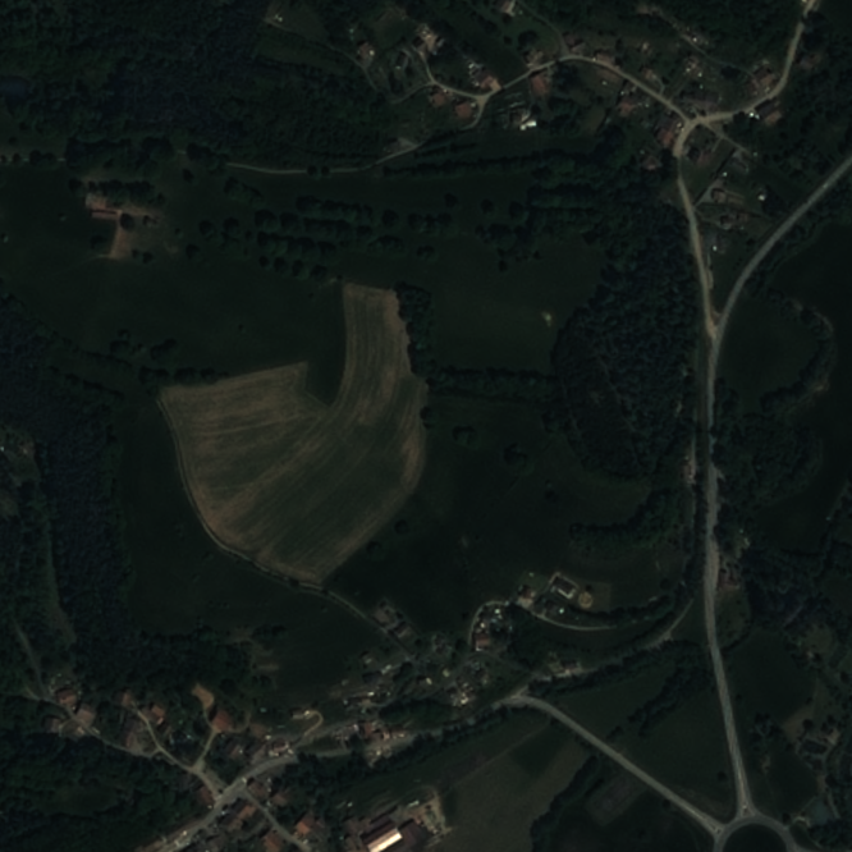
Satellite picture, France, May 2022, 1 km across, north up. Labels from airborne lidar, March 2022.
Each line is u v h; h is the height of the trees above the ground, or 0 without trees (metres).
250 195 19
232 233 16
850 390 0
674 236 39
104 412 20
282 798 0
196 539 0
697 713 0
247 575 0
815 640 0
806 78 0
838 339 0
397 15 0
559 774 0
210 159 22
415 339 17
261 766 0
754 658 0
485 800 0
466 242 0
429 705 15
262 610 0
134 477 0
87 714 0
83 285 0
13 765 27
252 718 0
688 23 21
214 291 0
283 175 0
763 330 0
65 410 25
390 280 0
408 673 12
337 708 0
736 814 0
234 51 20
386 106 19
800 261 0
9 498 29
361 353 0
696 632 0
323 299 0
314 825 0
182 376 13
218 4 12
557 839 0
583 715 0
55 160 13
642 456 21
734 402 21
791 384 0
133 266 0
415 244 0
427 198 0
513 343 0
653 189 19
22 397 25
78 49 26
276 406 0
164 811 17
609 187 30
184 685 24
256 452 0
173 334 0
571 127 18
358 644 0
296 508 0
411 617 0
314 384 0
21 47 24
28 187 0
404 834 0
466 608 0
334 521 0
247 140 27
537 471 0
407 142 0
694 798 0
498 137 0
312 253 20
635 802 0
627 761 0
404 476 0
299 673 0
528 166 9
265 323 0
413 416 0
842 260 0
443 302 0
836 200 11
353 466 0
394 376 0
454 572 0
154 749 0
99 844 12
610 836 0
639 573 0
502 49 0
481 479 0
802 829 0
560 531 0
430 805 0
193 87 23
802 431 7
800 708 0
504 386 24
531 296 0
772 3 26
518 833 0
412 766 10
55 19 24
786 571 24
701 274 0
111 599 26
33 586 30
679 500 10
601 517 0
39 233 0
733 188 0
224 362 0
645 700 0
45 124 24
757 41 22
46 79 7
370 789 0
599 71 0
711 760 0
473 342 0
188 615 0
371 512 0
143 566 0
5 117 0
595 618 12
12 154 0
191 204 0
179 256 0
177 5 9
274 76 28
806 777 0
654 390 16
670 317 32
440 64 12
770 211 11
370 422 0
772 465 18
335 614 0
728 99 0
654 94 0
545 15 18
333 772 0
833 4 0
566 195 21
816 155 13
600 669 0
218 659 21
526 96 0
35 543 24
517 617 22
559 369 14
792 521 0
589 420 8
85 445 29
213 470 0
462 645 13
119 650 21
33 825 13
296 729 0
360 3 29
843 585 0
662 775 0
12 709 15
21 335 25
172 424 0
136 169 23
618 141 23
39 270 0
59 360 0
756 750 13
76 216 0
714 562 0
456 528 0
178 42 22
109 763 19
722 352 0
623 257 23
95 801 0
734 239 0
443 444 0
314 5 12
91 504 28
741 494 19
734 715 0
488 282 0
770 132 0
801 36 0
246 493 0
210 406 0
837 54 16
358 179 0
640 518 14
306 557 0
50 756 17
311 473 0
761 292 13
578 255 0
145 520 0
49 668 17
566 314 0
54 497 30
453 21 0
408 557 0
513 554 0
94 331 0
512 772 0
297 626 0
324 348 0
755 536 13
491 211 18
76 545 29
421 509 0
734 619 0
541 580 0
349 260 0
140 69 33
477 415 0
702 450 9
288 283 0
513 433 0
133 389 0
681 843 0
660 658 20
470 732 19
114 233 0
